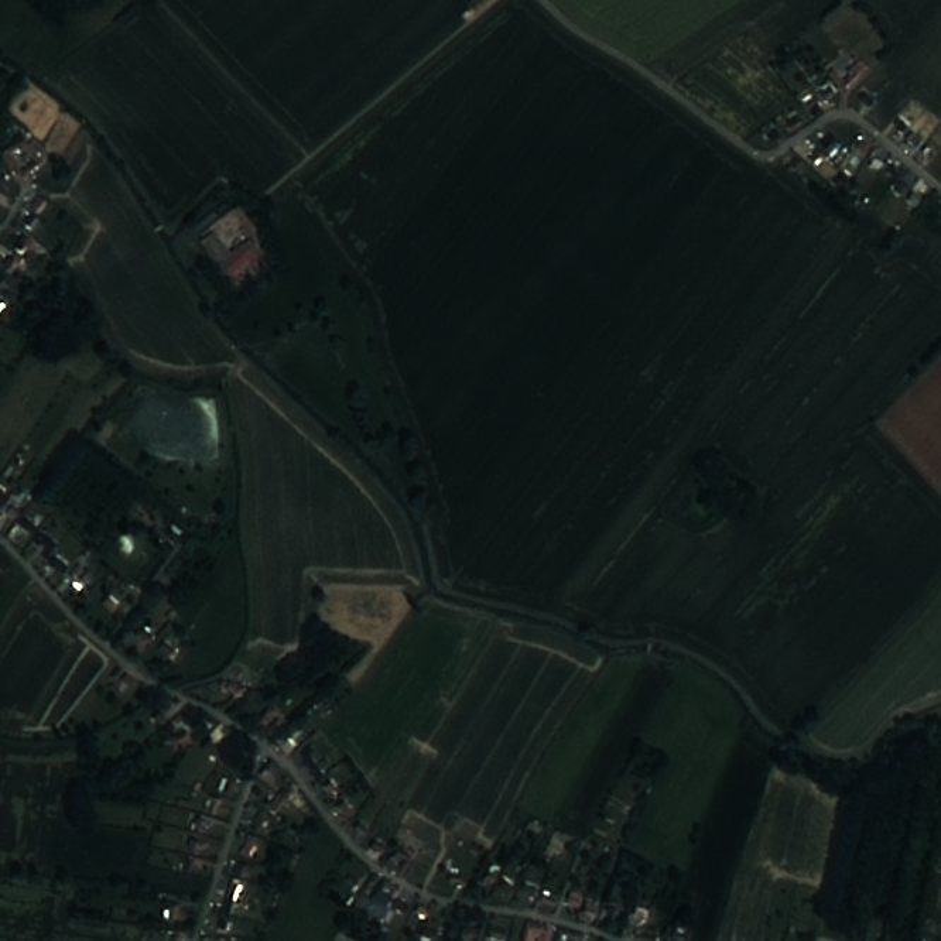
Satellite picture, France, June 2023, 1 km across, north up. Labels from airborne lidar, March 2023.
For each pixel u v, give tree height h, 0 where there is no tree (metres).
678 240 0
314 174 0
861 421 0
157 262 0
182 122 0
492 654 0
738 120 0
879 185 0
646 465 0
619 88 0
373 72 0
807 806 0
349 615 0
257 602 0
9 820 0
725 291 0
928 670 0
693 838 12
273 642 0
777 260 0
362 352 0
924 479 0
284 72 0
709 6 0
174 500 0
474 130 0
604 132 0
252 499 0
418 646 0
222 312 18
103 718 0
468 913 16
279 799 0
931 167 0
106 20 0
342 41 0
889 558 0
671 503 0
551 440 0
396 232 0
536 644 0
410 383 0
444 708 0
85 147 0
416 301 0
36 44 0
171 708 0
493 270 0
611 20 0
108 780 21
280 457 0
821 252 0
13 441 0
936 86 0
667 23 0
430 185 0
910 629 0
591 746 0
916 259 0
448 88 0
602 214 0
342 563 0
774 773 0
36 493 12
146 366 0
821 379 0
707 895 0
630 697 0
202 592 0
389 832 0
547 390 0
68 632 0
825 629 0
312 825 16
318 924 0
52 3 26
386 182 0
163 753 0
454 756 0
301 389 0
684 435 0
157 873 0
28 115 0
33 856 0
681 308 0
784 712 0
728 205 0
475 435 0
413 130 0
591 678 0
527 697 0
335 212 0
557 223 0
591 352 0
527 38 0
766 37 0
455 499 0
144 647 0
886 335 0
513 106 0
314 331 0
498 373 0
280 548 0
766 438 0
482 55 0
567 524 0
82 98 0
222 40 0
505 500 0
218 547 0
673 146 0
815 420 0
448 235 0
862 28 0
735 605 0
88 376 0
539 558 0
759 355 0
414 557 0
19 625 0
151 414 0
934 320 0
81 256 0
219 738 0
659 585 0
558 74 0
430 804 0
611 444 0
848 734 0
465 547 0
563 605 0
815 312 0
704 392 0
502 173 0
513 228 0
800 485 0
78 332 26
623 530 0
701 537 0
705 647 0
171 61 0
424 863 0
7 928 0
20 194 0
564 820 0
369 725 0
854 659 0
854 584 0
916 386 0
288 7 0
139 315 0
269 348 0
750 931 0
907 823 26
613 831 0
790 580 0
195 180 0
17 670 0
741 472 0
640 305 0
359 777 8
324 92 0
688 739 0
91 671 0
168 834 0
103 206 0
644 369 0
